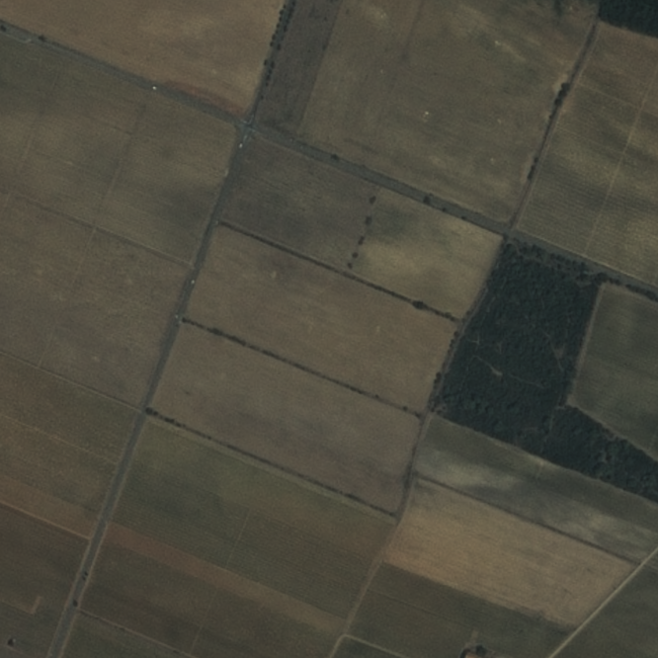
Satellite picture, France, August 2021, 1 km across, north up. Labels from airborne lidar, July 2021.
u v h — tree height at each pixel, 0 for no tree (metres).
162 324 0
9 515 0
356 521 0
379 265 0
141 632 0
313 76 0
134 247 0
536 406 6
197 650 0
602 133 0
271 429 0
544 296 8
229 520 0
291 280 0
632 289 9
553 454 8
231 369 0
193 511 0
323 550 0
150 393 0
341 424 0
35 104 0
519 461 0
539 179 0
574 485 0
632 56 0
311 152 0
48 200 0
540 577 0
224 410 0
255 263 0
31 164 0
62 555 0
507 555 0
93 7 0
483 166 0
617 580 0
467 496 0
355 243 0
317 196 0
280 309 0
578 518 0
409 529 0
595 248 0
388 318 0
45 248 0
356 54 0
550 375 11
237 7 0
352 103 0
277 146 0
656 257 0
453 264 0
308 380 0
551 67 0
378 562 0
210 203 0
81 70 0
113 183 0
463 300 0
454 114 0
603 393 0
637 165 0
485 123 0
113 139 0
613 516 0
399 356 0
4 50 0
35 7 0
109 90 0
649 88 0
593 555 0
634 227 0
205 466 0
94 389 0
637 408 0
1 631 0
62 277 0
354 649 0
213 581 0
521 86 0
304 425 0
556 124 0
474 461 0
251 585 0
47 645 0
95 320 0
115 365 0
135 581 0
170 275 0
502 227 0
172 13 0
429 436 0
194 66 0
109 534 0
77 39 0
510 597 0
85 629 0
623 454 7
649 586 0
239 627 0
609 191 0
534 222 0
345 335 0
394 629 0
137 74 0
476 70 0
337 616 0
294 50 0
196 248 0
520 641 0
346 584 0
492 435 6
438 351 0
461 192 0
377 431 0
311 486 0
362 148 0
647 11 7
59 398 0
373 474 0
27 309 0
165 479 0
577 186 0
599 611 0
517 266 11
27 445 0
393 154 0
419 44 0
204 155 0
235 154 0
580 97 0
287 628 0
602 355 0
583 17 0
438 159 0
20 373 0
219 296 0
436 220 0
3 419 0
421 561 0
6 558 0
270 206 0
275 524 0
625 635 0
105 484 0
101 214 0
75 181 0
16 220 0
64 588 0
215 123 0
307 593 0
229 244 0
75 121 0
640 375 0
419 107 0
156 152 0
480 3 0
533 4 0
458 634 0
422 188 0
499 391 6
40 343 0
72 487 0
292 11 7
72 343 0
